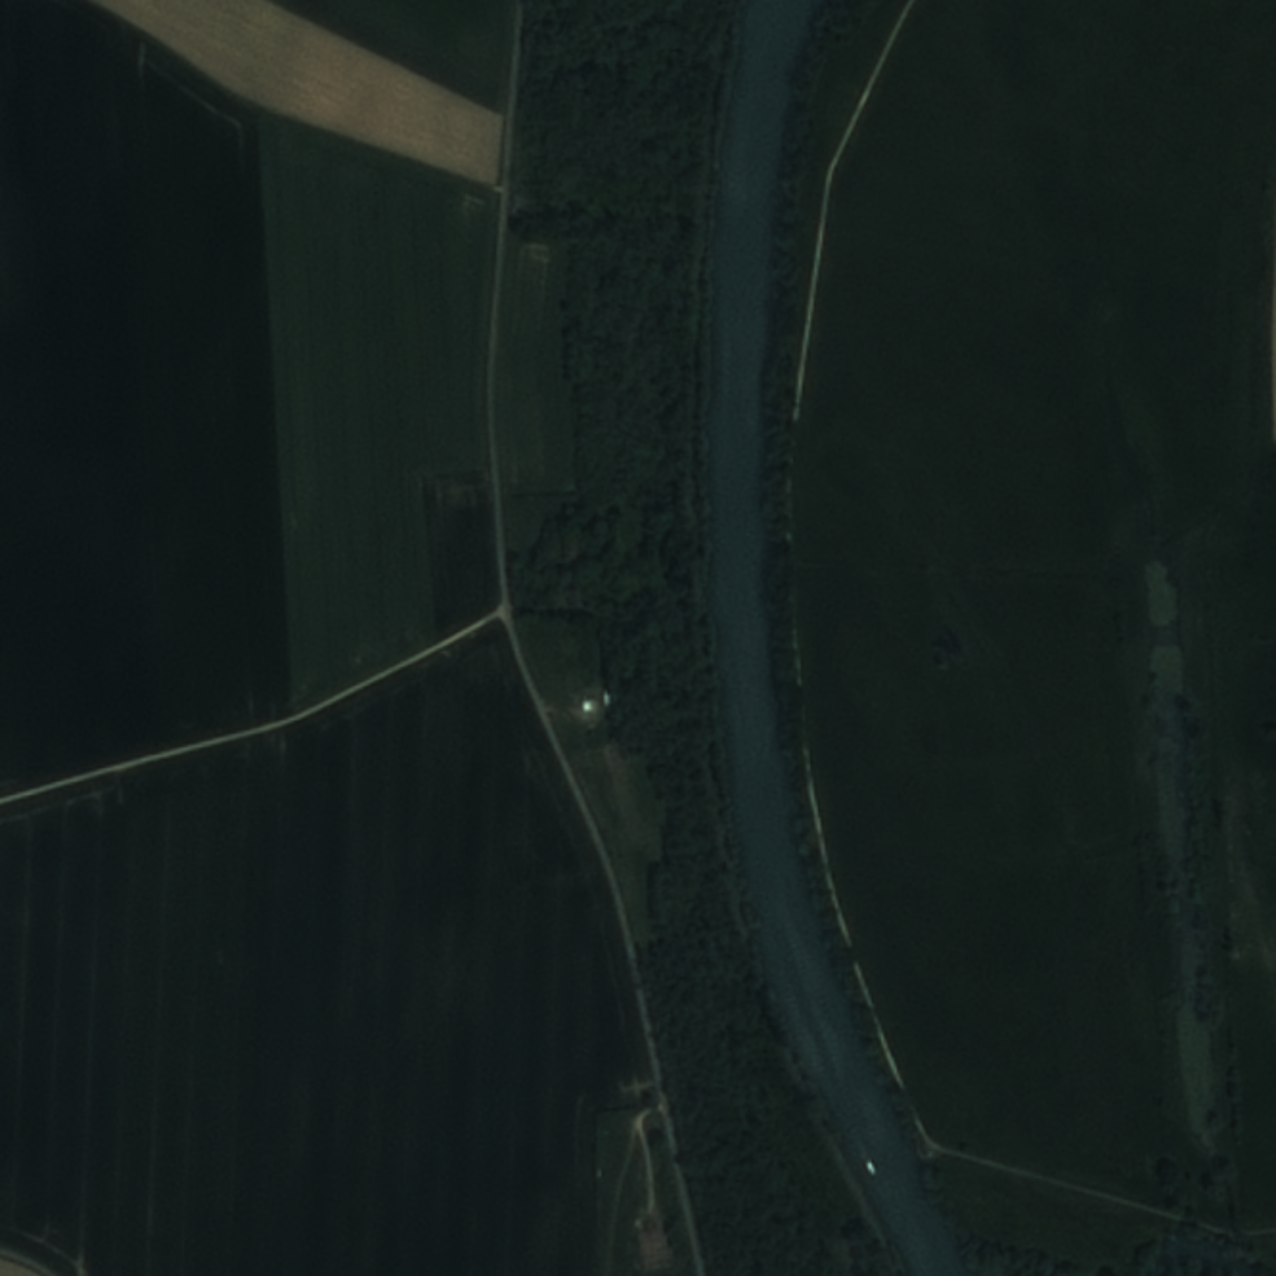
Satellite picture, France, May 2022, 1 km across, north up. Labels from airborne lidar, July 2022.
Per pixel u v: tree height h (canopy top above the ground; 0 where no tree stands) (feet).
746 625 0
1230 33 0
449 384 0
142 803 0
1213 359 0
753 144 0
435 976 0
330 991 0
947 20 0
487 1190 0
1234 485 0
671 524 77
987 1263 64
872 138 0
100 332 0
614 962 0
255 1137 0
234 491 0
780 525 66
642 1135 0
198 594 0
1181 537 0
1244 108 0
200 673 0
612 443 29
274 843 0
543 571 56
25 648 0
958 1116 0
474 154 0
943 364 0
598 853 0
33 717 0
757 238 0
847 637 0
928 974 0
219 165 0
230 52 0
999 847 0
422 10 0
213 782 0
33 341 0
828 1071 0
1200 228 0
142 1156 0
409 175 0
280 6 0
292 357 0
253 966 0
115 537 0
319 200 0
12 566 0
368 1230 0
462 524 0
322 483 0
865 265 0
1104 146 0
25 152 0
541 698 0
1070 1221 0
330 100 0
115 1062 0
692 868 88
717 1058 79
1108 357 0
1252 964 0
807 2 0
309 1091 0
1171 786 0
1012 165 0
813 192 0
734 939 94
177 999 0
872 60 0
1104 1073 0
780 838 0
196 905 0
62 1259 0
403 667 0
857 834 0
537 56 46
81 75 0
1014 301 0
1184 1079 0
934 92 0
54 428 0
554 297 0
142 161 0
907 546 0
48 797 0
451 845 0
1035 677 0
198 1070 0
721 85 30
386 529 0
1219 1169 47
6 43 0
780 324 73
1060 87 0
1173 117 0
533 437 0
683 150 68
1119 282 0
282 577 0
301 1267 0
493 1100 0
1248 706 0
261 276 0
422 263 0
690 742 105
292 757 0
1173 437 0
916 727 0
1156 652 0
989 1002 0
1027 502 0
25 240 0
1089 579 0
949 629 0
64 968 0
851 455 0
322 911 0
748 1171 66
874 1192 0
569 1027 0
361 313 0
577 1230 0
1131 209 0
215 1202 0
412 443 0
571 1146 0
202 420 0
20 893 0
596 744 0
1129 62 0
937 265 0
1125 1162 0
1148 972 0
